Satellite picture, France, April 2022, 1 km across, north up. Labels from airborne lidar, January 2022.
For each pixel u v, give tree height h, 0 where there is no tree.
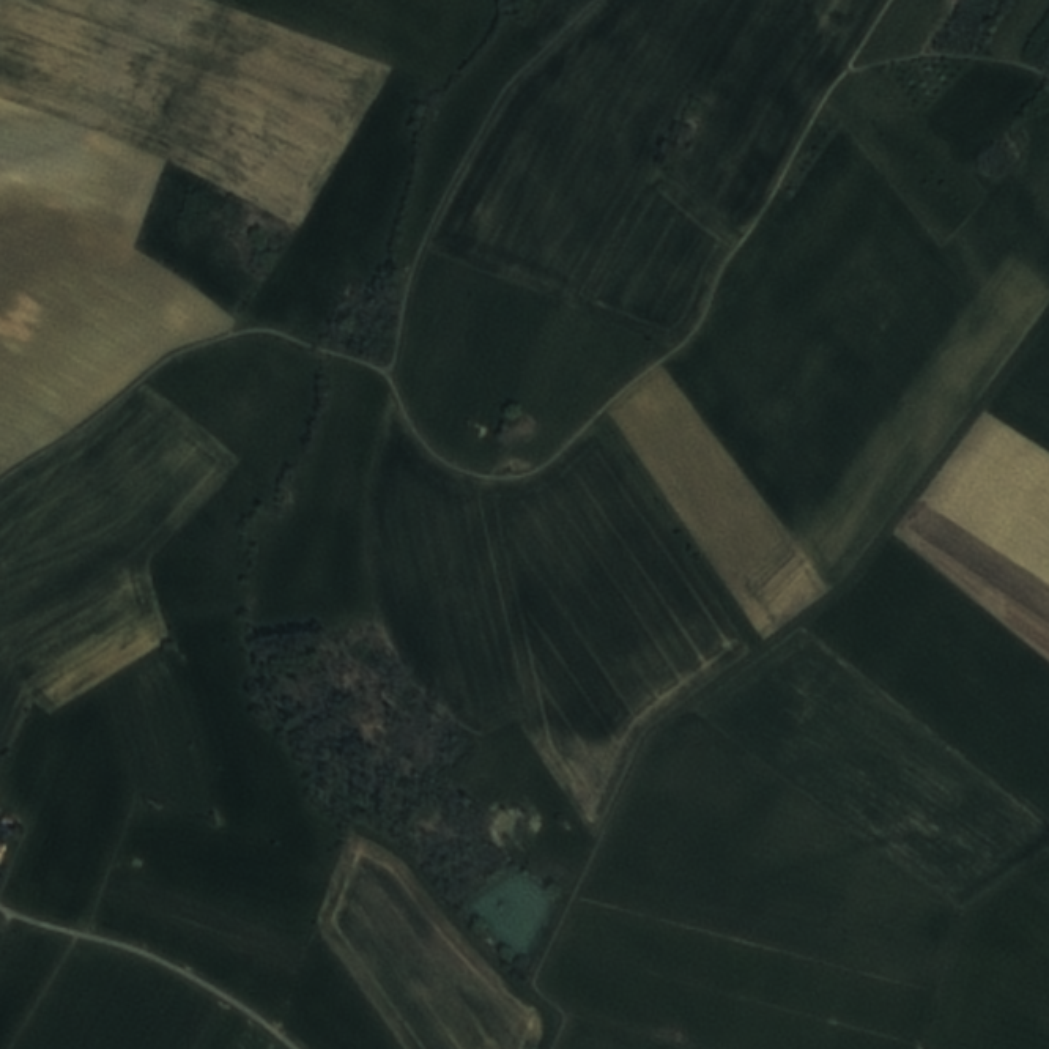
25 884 0
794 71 0
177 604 0
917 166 0
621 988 0
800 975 0
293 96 0
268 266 9
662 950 0
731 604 0
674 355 0
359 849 0
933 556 0
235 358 0
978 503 0
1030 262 0
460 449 0
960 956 0
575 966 0
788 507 0
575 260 0
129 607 0
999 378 0
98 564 0
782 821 0
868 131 0
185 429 0
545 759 0
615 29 0
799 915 0
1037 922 0
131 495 0
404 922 0
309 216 0
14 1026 0
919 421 0
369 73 0
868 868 0
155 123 0
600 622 0
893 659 0
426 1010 0
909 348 0
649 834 0
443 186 0
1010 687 0
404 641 0
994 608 0
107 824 0
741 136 0
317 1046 0
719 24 0
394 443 0
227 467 0
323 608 0
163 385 0
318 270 0
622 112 0
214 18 0
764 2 0
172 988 0
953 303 0
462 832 15
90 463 0
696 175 0
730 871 0
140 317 0
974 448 0
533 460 0
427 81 0
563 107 0
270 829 0
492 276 0
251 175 0
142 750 0
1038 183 0
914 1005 0
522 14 16
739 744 0
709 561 0
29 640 0
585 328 0
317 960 0
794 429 0
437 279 0
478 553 0
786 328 0
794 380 0
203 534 0
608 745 0
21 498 0
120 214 0
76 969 0
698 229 0
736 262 0
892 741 0
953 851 0
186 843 0
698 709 0
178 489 0
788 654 0
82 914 0
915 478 0
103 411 0
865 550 0
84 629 0
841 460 0
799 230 0
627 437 0
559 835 0
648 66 0
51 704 0
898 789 0
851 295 0
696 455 0
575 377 0
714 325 0
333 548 0
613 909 0
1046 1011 0
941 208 0
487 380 0
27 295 0
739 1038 0
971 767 0
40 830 0
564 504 0
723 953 0
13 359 0
